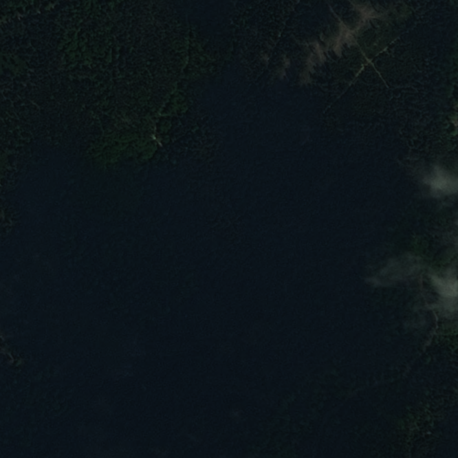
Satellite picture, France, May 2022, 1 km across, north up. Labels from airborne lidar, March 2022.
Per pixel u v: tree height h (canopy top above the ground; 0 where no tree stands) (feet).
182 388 43
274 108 96
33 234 31
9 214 61
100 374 77
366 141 89
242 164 94
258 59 65
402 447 60
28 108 51
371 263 86
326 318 54
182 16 66
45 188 53
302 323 50
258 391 79
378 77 23
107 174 61
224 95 87
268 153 74
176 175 97
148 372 60
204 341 86
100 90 51
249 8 32
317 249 57
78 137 47
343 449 66
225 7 84
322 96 30
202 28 55
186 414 46
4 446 59
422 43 42
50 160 51
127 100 60
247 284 81
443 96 64
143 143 73
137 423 62
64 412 54
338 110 39
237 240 97
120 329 83
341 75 21
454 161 56
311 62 0
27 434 58
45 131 62
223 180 94
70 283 85
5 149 55
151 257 99
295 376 73
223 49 73
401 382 52
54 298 68
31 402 60
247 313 79
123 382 54
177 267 78
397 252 46
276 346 72
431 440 43
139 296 33
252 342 42
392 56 19
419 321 88
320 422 46
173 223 93
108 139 54
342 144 63
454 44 68
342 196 62
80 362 77
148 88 67
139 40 75
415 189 51
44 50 69
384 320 82
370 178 43
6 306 0
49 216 83
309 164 85
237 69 81
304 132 85
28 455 75
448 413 86
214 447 51
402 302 75
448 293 37
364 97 46
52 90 67
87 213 62
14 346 43
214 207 80
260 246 77
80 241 57
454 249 69
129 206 70
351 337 79
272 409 70
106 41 63
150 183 94
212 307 92
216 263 85
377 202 60
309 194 83
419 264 49
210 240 94
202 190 89
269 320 69
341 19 95
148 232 104
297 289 51
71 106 59
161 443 29
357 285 74
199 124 88
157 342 88
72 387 71
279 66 85
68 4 78
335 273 43
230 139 100
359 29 0
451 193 52
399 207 83
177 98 62
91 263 94
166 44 60
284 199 78
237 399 50
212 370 41
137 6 80
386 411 49
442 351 50
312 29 87
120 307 75
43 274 27
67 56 67
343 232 55
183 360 63
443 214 69
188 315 89
